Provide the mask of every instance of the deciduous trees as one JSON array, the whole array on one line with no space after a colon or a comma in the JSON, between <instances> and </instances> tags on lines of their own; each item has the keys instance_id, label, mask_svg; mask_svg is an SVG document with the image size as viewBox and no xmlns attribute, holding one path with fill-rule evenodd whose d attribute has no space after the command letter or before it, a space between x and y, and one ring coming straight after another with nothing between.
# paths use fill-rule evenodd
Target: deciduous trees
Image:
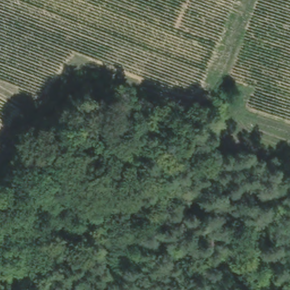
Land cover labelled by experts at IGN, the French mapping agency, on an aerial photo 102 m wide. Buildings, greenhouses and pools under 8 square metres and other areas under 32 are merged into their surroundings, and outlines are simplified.
<instances>
[{"instance_id":1,"label":"deciduous trees","mask_svg":"<svg viewBox=\"0 0 290 290\"><path fill-rule=\"evenodd\" d=\"M139 137L135 135L136 126L127 120L127 114L122 113L122 104L119 101L122 96L116 96L120 85L120 82L110 82L103 92L86 92L84 89L82 94L72 97L71 100L65 103L59 100L57 104L52 105L48 117L37 121L26 134L19 134L20 145L12 151L14 157L10 164L3 168L0 177L0 290L40 290L31 279L35 278L36 273L49 272L53 264L68 261L72 270L87 270L94 265L94 261L101 262L106 255L106 246L97 244L93 238L95 224L102 223L104 216L108 214L136 213L142 207L143 201L138 194L145 191L146 186L156 185L155 179L150 179L154 167L153 160L138 155L145 142L140 142Z\"/></svg>"},{"instance_id":2,"label":"deciduous trees","mask_svg":"<svg viewBox=\"0 0 290 290\"><path fill-rule=\"evenodd\" d=\"M268 282L271 272L256 272L261 250L258 248L259 232L254 230L242 233L239 239L230 237L230 244L215 241L212 256L196 261L191 255L184 256L181 249L172 250L170 253L176 258L172 267L174 273L180 270L182 275L193 275L225 262L234 273L245 276L250 290L261 290L270 284Z\"/></svg>"},{"instance_id":3,"label":"deciduous trees","mask_svg":"<svg viewBox=\"0 0 290 290\"><path fill-rule=\"evenodd\" d=\"M219 109L221 118L228 120L233 110L245 104L239 94L233 96L223 93L215 97L213 103Z\"/></svg>"}]
</instances>

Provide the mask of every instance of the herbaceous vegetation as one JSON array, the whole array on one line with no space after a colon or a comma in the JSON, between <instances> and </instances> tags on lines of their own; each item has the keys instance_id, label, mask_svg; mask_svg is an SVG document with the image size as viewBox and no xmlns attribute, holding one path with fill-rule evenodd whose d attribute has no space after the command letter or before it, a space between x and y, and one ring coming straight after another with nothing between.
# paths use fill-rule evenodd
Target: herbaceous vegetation
<instances>
[{"instance_id":1,"label":"herbaceous vegetation","mask_svg":"<svg viewBox=\"0 0 290 290\"><path fill-rule=\"evenodd\" d=\"M182 102L195 99L207 106L213 103L215 97L223 93L233 96L239 94L236 82L230 75L224 76L224 70L227 65L236 65L238 61L244 46L246 22L250 23L259 0L239 0L240 6L234 5L237 11L224 20L223 27L227 27L227 33L219 46L217 58L212 67L206 66L204 70L204 74L207 75L204 88L198 83L188 87L170 87L169 84L161 87L159 80L154 79L144 79L134 87L137 100L146 95L165 94L178 96Z\"/></svg>"},{"instance_id":2,"label":"herbaceous vegetation","mask_svg":"<svg viewBox=\"0 0 290 290\"><path fill-rule=\"evenodd\" d=\"M228 120L221 118L219 122L212 121L211 129L215 134L220 133L223 144L236 146L238 152L271 157L279 167L284 163L290 168L290 125L249 112L245 104L233 110Z\"/></svg>"}]
</instances>

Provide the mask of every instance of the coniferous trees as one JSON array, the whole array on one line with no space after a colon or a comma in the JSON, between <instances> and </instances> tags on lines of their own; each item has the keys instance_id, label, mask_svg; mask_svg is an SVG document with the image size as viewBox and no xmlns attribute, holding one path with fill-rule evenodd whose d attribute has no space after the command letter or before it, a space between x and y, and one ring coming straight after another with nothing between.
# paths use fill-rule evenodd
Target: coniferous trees
<instances>
[{"instance_id":1,"label":"coniferous trees","mask_svg":"<svg viewBox=\"0 0 290 290\"><path fill-rule=\"evenodd\" d=\"M193 275L182 275L180 270L174 273L172 267L176 258L170 253L172 250L181 249L184 256L191 255L196 261L212 256L215 241L230 244L230 237L239 239L242 233L254 230L259 232L258 248L261 250L256 272L271 272L268 282L270 284L261 290L290 290L290 168L284 163L279 167L271 157L238 152L236 146L223 144L220 133L215 134L211 129L212 121L219 122L221 118L219 109L213 103L207 106L195 99L182 102L178 96L165 94L146 95L137 100L134 87L120 85L116 96L122 96L119 101L122 104L122 113L127 114L127 120L136 126L135 135L139 137L140 142L145 142L138 155L153 160L154 167L150 179L155 179L156 185L146 186L145 191L138 194L143 201L142 207L136 213L108 214L104 216L102 223L95 224L93 238L97 244L106 246L106 255L101 262L94 261L94 265L87 270L72 270L68 261L53 264L49 272L36 273L35 278L31 279L40 290L250 290L245 276L234 273L225 262Z\"/></svg>"}]
</instances>

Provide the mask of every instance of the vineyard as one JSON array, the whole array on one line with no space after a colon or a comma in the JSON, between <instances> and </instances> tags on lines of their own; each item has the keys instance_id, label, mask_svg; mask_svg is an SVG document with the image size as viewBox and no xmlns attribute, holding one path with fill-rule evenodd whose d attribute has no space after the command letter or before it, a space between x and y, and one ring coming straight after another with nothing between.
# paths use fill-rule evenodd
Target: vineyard
<instances>
[{"instance_id":1,"label":"vineyard","mask_svg":"<svg viewBox=\"0 0 290 290\"><path fill-rule=\"evenodd\" d=\"M224 76L230 75L236 82L239 94L245 104L249 112L290 125L290 0L259 0L250 23L246 22L244 46L238 61L236 65L227 65L224 70Z\"/></svg>"},{"instance_id":2,"label":"vineyard","mask_svg":"<svg viewBox=\"0 0 290 290\"><path fill-rule=\"evenodd\" d=\"M19 134L26 134L37 121L48 117L52 105L57 104L59 100L65 103L71 100L72 97L82 94L84 89L86 92L103 92L110 82L120 82L120 85L134 87L144 79L154 79L159 80L161 87L169 84L170 87L188 87L198 83L204 88L207 75L204 74L204 70L206 66L212 67L217 58L219 46L227 33L227 27L223 27L224 20L237 11L234 5L240 6L239 0L0 0L0 177L3 168L10 164L14 157L12 151L20 145Z\"/></svg>"}]
</instances>

